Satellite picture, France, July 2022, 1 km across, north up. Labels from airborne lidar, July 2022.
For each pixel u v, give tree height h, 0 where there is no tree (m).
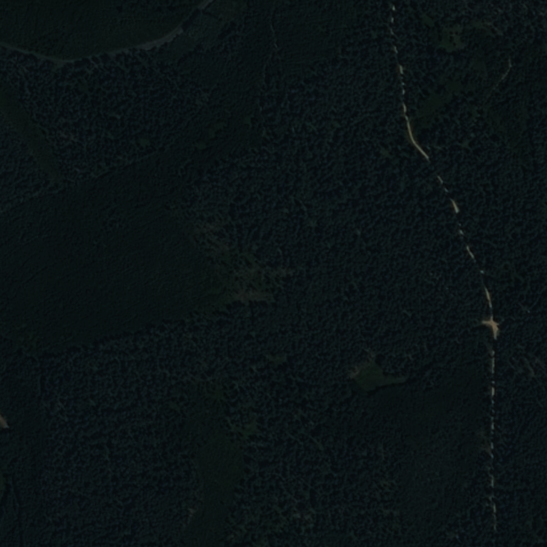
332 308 31
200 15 24
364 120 21
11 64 16
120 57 15
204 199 24
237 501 11
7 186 23
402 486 11
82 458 24
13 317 8
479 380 14
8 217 12
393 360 28
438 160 27
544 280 22
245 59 13
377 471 9
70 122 7
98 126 33
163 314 8
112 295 8
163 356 23
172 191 11
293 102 31
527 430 28
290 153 17
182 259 6
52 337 9
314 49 14
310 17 14
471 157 20
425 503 9
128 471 25
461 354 14
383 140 29
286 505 32
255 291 31
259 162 25
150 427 14
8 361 23
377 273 27
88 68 22
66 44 5
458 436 11
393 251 28
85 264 6
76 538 27
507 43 17
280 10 10
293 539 35
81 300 7
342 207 33
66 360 17
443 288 29
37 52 7
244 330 28
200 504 18
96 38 7
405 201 26
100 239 9
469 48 11
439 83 9
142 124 23
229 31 20
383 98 18
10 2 8
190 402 6
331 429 21
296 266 28
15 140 27
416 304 30
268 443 29
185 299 6
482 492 30
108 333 8
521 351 9
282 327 30
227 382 9
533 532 15
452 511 11
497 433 13
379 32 26
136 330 7
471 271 28
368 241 31
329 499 12
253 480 24
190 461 9
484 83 12
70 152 8
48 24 7
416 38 16
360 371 0
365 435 19
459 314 28
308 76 13
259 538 27
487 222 27
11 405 26
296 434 28
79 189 10
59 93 26
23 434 19
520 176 18
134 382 27
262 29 12
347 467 25
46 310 7
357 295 27
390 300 26
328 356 29
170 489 26
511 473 25
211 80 14
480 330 17
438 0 24
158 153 10
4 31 6
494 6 23
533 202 18
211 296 6
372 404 20
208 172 8
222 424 8
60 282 7
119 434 13
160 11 24
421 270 30
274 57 13
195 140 9
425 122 6
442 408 13
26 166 29
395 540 11
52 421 21
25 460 27
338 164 32
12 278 12
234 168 25
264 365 20
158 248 7
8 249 13
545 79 15
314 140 31
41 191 14
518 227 25
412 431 15
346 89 30
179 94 24
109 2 7
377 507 33
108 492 26
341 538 19
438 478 10
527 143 7
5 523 24
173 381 7
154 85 20
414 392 22
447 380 15
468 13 19
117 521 23
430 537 11
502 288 16
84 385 19
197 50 15
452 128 25
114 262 8
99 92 11
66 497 13
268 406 23
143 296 8
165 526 26
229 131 10
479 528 30
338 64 30
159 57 7
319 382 25
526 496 21
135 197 11
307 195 30
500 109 9
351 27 10
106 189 11
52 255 13
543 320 23
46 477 23
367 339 28
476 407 14
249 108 11
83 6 6
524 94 16
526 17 27
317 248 28
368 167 33
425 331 27
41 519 20
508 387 27
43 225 12
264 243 25
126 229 6
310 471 31
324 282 24
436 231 15
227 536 14
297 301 26
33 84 11
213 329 25
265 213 29
